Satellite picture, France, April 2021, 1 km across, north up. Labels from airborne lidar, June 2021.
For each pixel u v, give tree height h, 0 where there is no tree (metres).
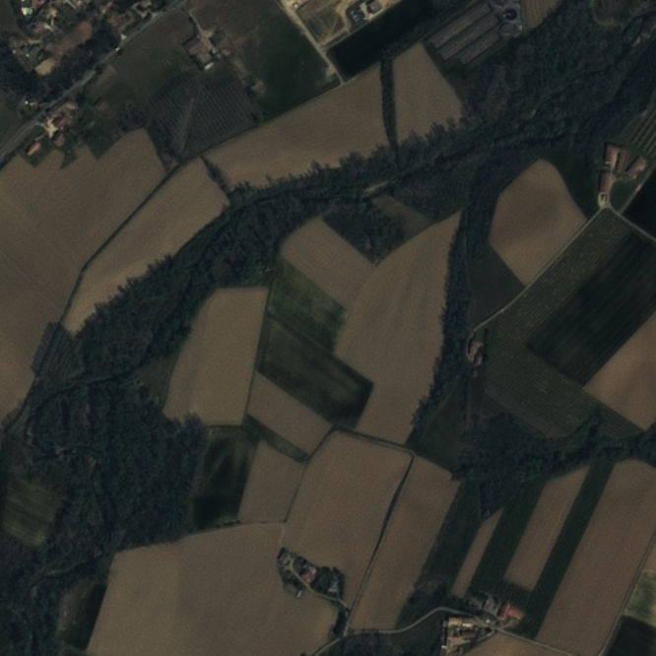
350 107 0
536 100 15
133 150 0
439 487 0
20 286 0
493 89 37
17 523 0
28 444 22
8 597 11
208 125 22
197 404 0
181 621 0
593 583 0
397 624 0
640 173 10
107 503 8
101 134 0
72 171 0
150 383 0
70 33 17
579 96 16
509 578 0
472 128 32
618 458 14
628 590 0
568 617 0
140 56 0
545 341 0
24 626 16
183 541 30
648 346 0
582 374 0
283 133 0
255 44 0
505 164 8
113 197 0
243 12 0
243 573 0
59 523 17
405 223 0
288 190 7
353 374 0
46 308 0
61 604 27
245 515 0
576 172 0
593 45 24
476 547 0
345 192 8
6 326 0
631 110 11
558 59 17
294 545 0
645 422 0
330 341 0
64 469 15
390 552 0
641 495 0
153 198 0
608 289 0
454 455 0
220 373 0
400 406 0
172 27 0
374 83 0
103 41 15
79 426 12
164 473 15
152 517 19
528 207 0
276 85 0
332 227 11
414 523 0
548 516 0
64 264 0
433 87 0
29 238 0
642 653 0
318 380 0
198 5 0
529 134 22
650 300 0
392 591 0
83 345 20
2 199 0
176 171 0
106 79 0
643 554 0
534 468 19
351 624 0
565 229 0
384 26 0
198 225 0
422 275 0
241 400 0
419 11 0
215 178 23
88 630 0
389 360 0
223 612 0
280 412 0
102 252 0
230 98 21
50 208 0
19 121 0
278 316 0
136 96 0
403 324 0
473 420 7
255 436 0
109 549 39
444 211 22
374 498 0
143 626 0
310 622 0
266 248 28
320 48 0
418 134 0
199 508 0
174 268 27
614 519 0
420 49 0
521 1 0
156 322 8
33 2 0
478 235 10
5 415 0
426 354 0
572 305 0
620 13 0
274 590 0
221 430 0
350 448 0
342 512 0
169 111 21
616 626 0
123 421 28
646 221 0
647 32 6
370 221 6
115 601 0
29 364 0
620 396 0
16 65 20
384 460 0
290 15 0
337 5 0
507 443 17
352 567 0
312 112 0
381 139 0
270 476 0
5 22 0
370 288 0
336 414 0
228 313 0
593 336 0
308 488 0
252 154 0
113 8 11
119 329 24
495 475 12
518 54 32
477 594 9
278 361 0
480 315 0
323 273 0
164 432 19
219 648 0
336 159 0
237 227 8
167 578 0
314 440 0
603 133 8
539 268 0
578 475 0
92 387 12
